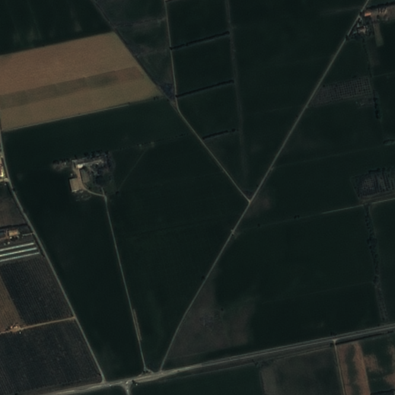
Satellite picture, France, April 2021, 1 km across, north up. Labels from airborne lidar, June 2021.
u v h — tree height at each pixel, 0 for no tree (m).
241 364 0
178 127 0
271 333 0
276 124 0
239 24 0
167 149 0
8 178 0
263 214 0
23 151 0
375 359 0
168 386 0
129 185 0
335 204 0
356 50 0
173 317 0
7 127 0
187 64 0
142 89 0
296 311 0
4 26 0
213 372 0
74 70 0
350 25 0
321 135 0
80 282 0
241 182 0
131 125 0
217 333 0
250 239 0
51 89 0
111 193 0
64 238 0
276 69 0
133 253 0
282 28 0
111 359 0
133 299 0
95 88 0
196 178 0
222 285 0
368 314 0
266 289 0
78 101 0
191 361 0
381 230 0
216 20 0
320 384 0
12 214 0
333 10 0
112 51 0
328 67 0
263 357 0
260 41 0
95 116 0
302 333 0
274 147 0
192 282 0
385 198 0
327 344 0
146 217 0
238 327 0
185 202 0
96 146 0
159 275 0
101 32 0
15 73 0
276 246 0
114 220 0
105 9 0
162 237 0
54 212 0
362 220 0
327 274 0
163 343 0
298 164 0
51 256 0
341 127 0
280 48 0
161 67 0
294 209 0
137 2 0
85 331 0
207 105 0
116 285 0
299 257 0
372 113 0
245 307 0
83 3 0
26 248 0
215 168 0
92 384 0
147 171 0
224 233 0
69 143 0
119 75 0
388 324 0
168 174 0
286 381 0
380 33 0
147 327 0
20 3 0
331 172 0
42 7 0
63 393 0
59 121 0
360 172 0
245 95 0
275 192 0
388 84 0
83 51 0
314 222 0
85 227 0
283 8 0
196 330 0
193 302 0
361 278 0
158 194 0
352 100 0
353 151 0
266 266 0
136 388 0
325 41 0
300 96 0
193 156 0
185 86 0
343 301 0
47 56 0
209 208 0
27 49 0
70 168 0
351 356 0
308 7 0
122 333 0
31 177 0
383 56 0
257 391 0
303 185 0
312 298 0
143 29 0
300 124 0
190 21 0
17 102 0
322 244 0
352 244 0
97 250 0
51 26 0
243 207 0
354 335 0
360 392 0
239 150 0
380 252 0
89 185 0
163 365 0
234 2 0
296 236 0
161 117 0
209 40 8
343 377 0
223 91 0
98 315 0
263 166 0
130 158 0
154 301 0
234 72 0
